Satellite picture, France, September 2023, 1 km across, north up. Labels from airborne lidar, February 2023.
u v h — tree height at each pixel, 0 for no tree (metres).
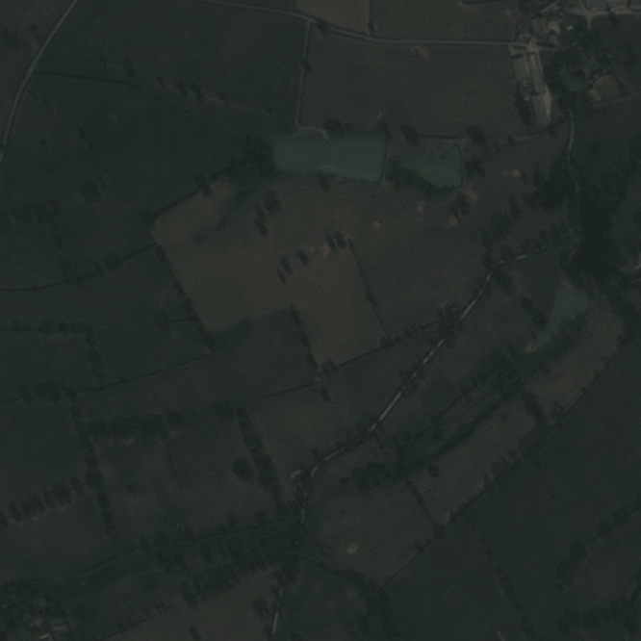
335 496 0
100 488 11
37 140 0
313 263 0
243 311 0
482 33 0
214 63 0
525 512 0
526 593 0
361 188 0
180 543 0
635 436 0
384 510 0
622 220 0
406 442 14
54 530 0
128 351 0
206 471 0
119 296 0
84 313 0
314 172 0
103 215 0
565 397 0
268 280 0
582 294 0
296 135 0
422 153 0
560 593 9
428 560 0
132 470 0
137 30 0
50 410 0
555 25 0
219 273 0
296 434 0
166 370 0
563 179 16
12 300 0
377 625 0
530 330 0
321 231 0
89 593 0
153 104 0
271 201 20
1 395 0
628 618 16
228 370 0
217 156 0
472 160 0
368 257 0
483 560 0
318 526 0
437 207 0
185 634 0
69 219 0
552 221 0
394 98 0
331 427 0
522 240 0
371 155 0
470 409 0
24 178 0
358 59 0
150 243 0
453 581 0
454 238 0
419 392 0
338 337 0
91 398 0
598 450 0
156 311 0
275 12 0
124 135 0
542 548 0
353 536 0
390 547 0
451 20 0
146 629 0
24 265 0
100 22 0
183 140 0
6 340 0
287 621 0
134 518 0
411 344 0
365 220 0
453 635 0
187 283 0
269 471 18
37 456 0
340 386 0
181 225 0
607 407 0
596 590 0
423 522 0
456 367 0
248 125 0
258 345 0
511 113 0
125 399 0
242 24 0
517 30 0
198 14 0
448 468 0
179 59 0
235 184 0
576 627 13
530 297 0
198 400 0
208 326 0
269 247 0
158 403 0
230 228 0
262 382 0
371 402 0
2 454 0
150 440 0
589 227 8
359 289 0
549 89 16
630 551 0
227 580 21
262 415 0
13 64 0
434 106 0
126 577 0
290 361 0
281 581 20
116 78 0
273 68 0
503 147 0
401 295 0
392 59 0
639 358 0
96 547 0
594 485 0
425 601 0
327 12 0
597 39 13
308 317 0
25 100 0
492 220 0
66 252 0
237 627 0
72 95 0
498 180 0
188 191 0
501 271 20
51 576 0
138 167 0
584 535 0
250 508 0
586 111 20
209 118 0
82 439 13
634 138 0
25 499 0
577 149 0
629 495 0
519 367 0
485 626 0
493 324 0
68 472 0
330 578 0
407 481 19
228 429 0
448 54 0
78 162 0
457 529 0
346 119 0
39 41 0
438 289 0
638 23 0
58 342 0
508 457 0
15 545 0
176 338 0
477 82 0
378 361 0
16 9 0
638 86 0
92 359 15
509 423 0
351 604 0
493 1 0
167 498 0
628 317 21
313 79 0
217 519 0
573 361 0
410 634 0
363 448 0
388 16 0
